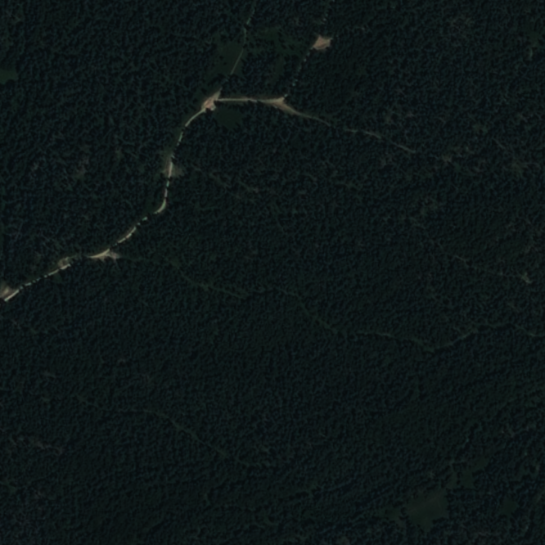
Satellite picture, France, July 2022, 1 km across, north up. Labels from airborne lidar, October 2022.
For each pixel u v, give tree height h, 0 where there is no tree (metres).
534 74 22
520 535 23
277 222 22
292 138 28
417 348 30
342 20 18
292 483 10
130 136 24
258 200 20
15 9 20
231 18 10
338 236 14
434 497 0
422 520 0
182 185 13
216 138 13
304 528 25
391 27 16
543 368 19
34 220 24
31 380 8
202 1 26
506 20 18
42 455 20
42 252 24
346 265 19
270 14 26
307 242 21
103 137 27
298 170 14
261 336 8
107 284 7
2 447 18
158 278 17
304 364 17
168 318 17
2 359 17
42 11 25
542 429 18
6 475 27
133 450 18
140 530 11
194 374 20
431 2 20
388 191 21
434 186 12
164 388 17
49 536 23
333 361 23
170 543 23
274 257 19
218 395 17
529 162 19
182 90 18
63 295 28
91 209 14
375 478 29
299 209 24
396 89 22
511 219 13
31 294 20
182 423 25
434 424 21
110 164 23
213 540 25
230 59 0
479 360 27
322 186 23
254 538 15
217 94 0
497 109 23
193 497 16
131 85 20
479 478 16
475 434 20
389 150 22
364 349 9
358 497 7
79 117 10
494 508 23
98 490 15
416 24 24
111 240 22
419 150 21
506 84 20
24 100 15
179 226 21
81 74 22
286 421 22
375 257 23
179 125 22
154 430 29
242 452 17
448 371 16
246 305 17
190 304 23
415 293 25
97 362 12
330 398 19
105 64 18
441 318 20
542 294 14
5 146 21
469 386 14
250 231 20
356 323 17
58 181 26
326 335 8
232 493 20
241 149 17
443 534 22
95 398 12
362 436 20
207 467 10
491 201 19
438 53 23
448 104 19
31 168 18
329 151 28
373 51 21
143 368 17
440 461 31
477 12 19
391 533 28
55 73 21
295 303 16
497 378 19
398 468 22
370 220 17
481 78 24
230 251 9
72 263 0
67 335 8
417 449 19
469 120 16
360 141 26
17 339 18
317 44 0
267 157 15
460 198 23
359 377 21
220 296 17
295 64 13
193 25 30
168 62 26
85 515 20
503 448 10
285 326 17
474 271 17
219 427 25
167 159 0
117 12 13
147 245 18
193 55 23
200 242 15
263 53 8
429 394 21
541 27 12
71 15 18
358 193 16
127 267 13
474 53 7
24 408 19
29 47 22
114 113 23
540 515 18
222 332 12
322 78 13
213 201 17
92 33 24
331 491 19
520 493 16
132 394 19
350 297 14
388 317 21
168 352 23
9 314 18
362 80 10
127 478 24
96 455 21
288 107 0
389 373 20
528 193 18
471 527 20
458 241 12
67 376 20
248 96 12
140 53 24
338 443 21
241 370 8
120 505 20
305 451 19
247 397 25
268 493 19
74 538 16
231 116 0
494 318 21
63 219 21
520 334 10
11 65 16
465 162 20
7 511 26
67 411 19
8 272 14
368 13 15
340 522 9
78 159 17
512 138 21
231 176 21
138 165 33
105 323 25
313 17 19
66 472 19
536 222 18
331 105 12
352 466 12
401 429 18
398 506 26
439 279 21
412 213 8
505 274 7
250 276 10
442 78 19
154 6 29
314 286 20
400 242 13
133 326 30
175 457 21
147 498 19
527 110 17
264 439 23
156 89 20
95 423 20
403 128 10
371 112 19
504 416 19
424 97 26
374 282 23
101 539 15
